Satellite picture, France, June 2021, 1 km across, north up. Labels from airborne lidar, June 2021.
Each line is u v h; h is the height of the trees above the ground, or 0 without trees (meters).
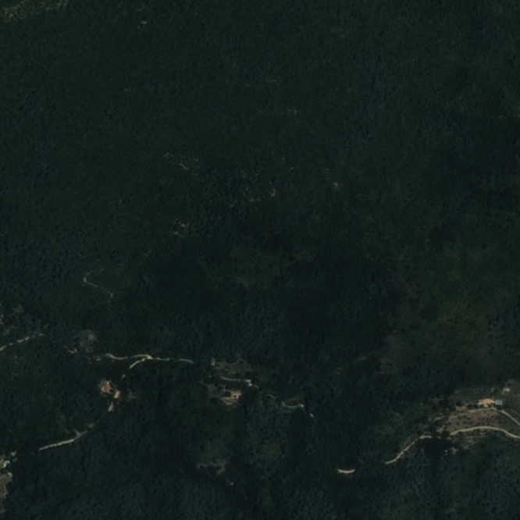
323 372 10
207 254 12
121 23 10
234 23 9
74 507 14
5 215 12
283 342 9
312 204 11
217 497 18
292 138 11
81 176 11
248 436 13
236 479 17
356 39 14
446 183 12
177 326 12
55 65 13
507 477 8
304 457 12
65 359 9
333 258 16
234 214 12
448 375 11
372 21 7
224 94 8
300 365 11
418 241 8
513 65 16
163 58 7
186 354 11
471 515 8
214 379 13
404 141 10
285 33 7
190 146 8
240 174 11
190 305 14
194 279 15
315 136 12
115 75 8
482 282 6
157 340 20
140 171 8
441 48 10
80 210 9
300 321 15
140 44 9
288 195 9
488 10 7
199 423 13
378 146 11
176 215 10
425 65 8
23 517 9
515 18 9
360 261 11
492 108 12
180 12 12
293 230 8
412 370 14
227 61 10
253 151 8
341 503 15
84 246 6
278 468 14
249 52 10
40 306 10
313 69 7
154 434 18
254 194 10
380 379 11
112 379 12
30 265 14
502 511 17
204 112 9
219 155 9
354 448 10
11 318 10
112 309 10
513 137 14
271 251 10
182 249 14
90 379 8
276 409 6
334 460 11
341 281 13
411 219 7
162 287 16
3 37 9
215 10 17
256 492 16
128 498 18
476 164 9
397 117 11
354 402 14
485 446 16
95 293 6
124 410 12
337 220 13
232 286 8
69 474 15
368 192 10
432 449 14
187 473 20
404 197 8
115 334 8
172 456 19
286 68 15
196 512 22
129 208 9
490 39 13
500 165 13
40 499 6
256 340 16
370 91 11
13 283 13
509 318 15
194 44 10
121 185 8
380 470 16
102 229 9
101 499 16
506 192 14
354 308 9
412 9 10
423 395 14
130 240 9
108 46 9
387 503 7
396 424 14
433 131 14
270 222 10
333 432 14
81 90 10
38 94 17
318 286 11
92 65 9
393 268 9
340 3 11
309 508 14
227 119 9
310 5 10
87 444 18
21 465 14
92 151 12
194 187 12
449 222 12
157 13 7
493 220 7
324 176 11
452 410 11
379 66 18
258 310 15
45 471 11
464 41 9
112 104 8
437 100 8
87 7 9
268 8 11
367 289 12
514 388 0
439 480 16
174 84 8
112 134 10
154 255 10
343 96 7
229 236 14
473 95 11
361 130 16
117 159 11
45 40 8
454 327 8
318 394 13
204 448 17
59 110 14
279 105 8
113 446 13
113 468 10
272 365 10
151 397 11
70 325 10
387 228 9
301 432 14
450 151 14
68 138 8
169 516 12
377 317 12
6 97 10
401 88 8
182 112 8
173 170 10
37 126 19
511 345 9
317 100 9
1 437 11
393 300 14
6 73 9
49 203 8
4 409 9
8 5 5
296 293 11
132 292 14
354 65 7
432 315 8
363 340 16
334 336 14
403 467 18
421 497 11
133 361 10
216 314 12
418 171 9
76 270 13
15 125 15
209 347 12
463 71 13
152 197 12
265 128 10
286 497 13
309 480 11
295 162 9
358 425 13
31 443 15
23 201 11
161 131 9
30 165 16
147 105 9
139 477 11
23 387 6
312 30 6
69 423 12
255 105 10
